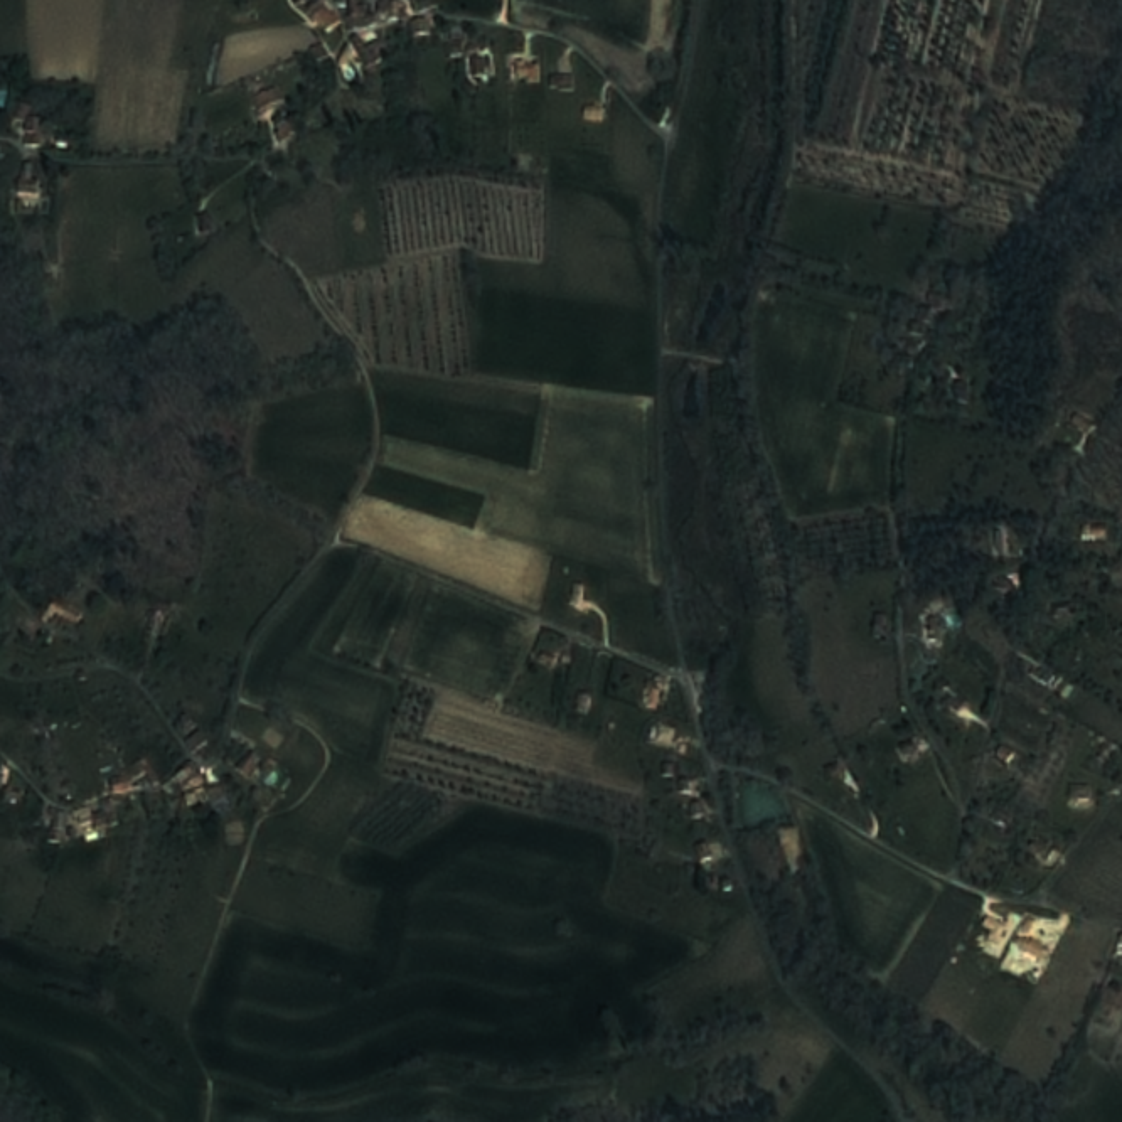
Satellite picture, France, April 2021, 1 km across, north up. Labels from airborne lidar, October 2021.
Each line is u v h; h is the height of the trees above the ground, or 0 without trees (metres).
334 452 0
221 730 11
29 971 0
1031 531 12
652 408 0
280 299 0
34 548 17
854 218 0
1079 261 18
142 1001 0
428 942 0
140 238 0
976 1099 22
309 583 0
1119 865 0
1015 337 16
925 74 11
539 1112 0
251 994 0
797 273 10
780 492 11
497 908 0
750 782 8
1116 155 16
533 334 0
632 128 0
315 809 0
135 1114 0
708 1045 8
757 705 0
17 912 0
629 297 0
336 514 0
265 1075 0
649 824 8
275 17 0
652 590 0
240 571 9
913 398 6
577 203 0
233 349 21
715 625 16
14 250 18
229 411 19
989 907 0
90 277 0
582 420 0
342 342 11
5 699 0
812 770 0
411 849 0
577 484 0
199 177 16
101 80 0
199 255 8
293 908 0
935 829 0
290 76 0
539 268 0
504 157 0
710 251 9
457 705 0
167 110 0
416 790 8
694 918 0
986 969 0
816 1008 0
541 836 0
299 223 0
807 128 12
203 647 0
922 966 0
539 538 0
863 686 0
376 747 0
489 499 0
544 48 0
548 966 0
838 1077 0
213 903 0
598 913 0
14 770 0
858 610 0
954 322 12
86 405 14
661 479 0
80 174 0
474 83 8
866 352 0
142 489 15
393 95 7
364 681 0
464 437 0
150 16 0
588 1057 0
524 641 0
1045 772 8
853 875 0
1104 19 14
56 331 19
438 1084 0
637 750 6
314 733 0
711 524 0
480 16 0
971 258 0
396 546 0
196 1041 0
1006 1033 0
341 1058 0
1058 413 12
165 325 15
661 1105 0
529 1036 0
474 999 0
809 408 0
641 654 0
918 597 10
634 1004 0
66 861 0
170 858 7
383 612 0
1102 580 7
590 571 0
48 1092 0
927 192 6
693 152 0
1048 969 0
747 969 0
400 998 0
